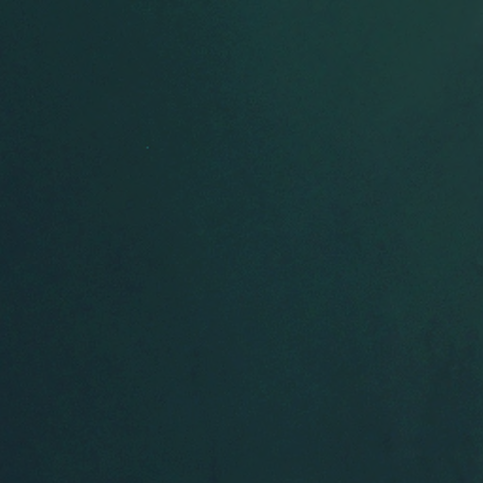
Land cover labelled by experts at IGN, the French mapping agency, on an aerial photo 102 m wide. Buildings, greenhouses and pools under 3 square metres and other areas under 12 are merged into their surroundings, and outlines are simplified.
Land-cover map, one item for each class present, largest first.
<instances>
[{"label":"water","instance_id":"1","mask_svg":"<svg viewBox=\"0 0 483 483\"><path fill-rule=\"evenodd\" d=\"M0 483H483V0H0Z\"/></svg>","mask_w":483,"mask_h":483}]
</instances>
